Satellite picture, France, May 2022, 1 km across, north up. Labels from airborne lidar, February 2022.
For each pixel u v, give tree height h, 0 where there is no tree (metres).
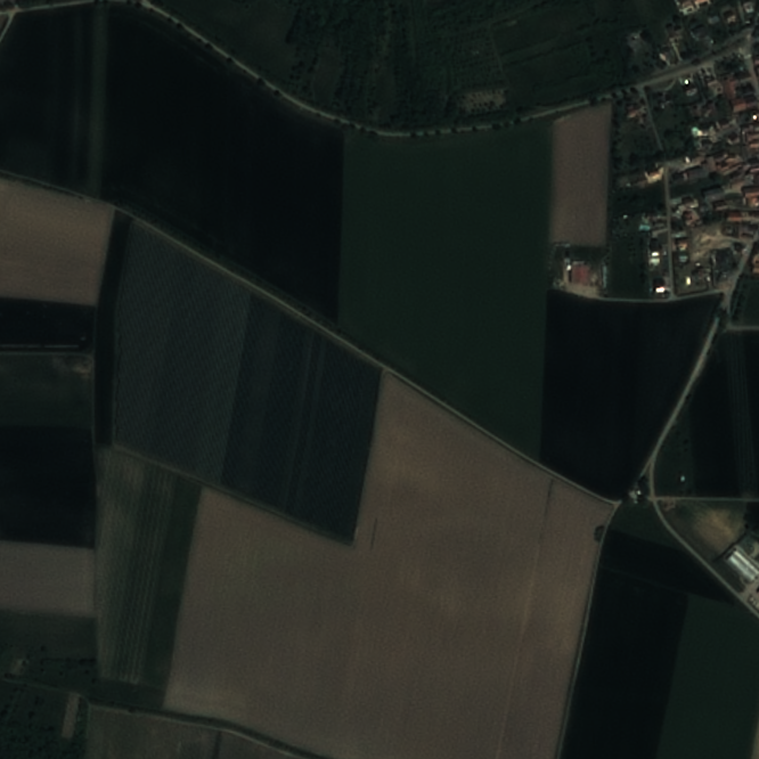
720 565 0
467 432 0
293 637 0
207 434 0
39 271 0
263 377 0
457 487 0
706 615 0
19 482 0
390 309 0
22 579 0
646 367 0
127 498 0
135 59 0
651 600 0
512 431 0
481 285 0
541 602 0
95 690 0
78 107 0
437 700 0
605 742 0
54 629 0
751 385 0
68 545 0
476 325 0
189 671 0
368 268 0
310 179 0
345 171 0
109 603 0
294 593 0
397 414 0
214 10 0
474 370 0
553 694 0
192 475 0
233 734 0
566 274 0
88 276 0
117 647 0
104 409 0
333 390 0
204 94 0
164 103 0
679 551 0
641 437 0
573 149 0
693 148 12
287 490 0
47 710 0
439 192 0
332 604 0
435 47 6
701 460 0
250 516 0
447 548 0
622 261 0
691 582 0
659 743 0
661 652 0
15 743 13
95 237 0
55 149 0
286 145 0
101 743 0
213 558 0
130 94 0
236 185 0
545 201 0
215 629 0
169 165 0
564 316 0
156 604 0
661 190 0
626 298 0
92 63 0
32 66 0
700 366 0
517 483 0
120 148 0
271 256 0
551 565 0
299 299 0
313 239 0
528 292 0
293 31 9
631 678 0
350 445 0
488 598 0
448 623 0
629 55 9
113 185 0
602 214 0
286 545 0
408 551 0
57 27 0
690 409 0
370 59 11
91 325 0
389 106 0
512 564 0
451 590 0
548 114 0
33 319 0
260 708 0
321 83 0
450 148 0
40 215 0
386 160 0
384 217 0
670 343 0
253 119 0
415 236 0
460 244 0
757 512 0
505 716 0
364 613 0
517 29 0
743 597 0
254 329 0
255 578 0
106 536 0
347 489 0
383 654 0
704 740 0
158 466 0
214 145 0
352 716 0
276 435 0
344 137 0
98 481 0
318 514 0
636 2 0
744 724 0
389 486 0
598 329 0
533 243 0
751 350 0
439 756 0
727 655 0
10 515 0
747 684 0
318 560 0
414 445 0
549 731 0
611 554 0
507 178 0
